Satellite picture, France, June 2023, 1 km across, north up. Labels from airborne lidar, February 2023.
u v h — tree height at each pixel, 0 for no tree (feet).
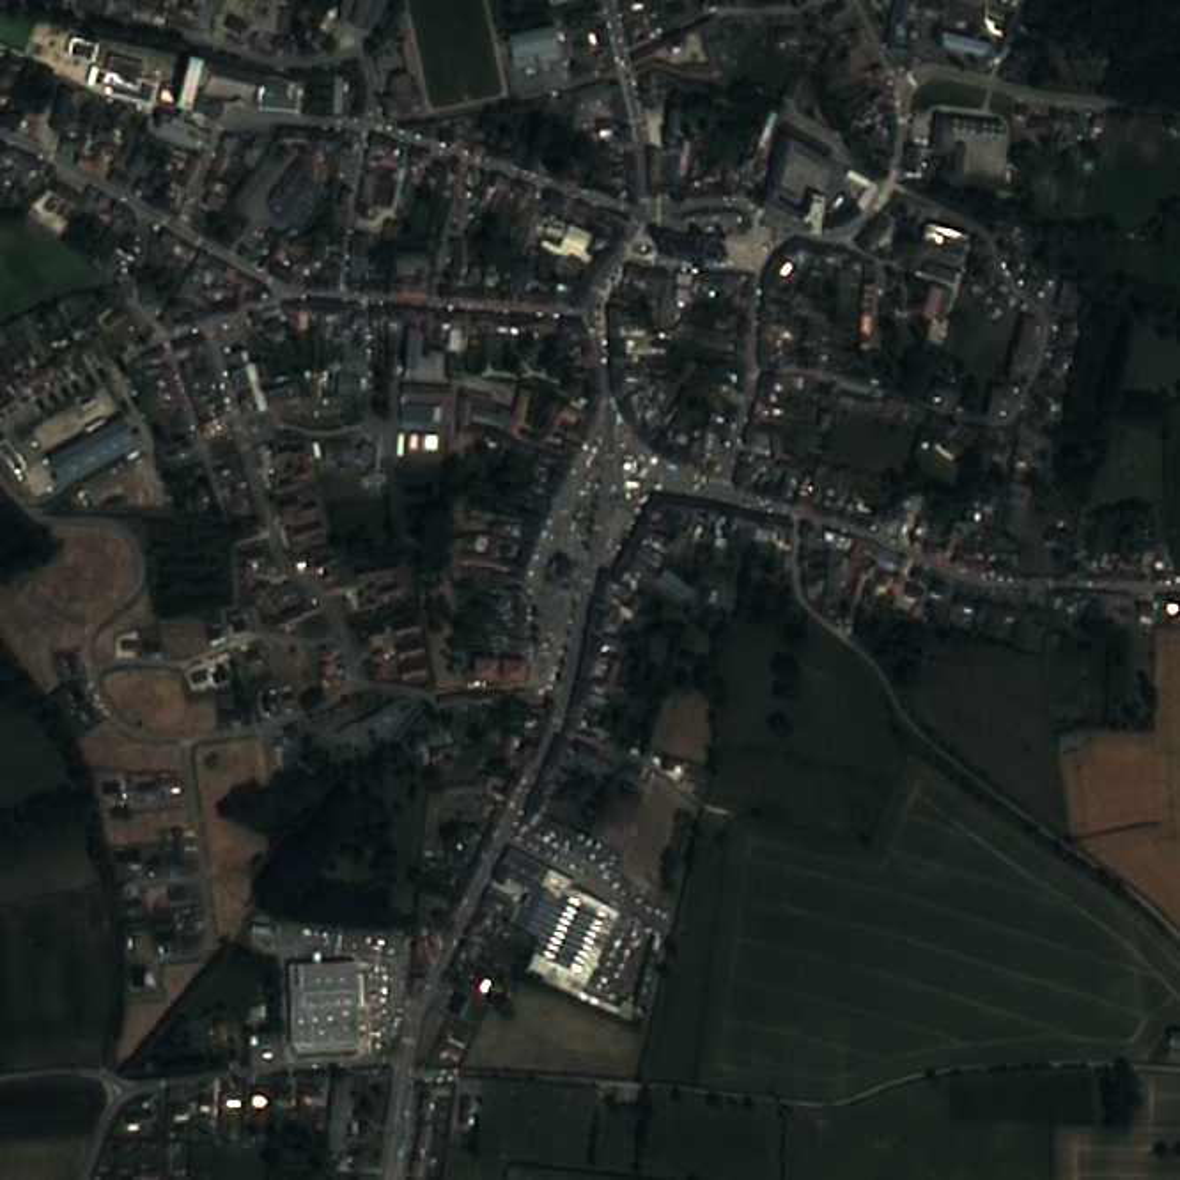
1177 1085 0
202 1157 0
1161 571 0
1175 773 0
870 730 0
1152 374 0
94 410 0
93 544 0
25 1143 0
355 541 49
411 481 0
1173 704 0
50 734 46
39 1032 0
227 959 19
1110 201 0
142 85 0
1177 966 0
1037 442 0
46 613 0
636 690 21
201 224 0
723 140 0
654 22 0
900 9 0
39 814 92
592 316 0
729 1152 0
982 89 0
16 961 0
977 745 0
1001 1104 0
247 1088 0
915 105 0
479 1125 39
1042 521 0
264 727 0
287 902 106
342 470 0
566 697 0
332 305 0
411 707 0
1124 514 49
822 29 23
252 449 0
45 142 0
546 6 21
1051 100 0
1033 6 60
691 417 0
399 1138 0
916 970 0
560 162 71
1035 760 0
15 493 0
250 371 0
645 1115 34
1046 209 0
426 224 0
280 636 0
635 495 0
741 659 0
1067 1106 0
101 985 0
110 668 0
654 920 0
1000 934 0
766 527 0
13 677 57
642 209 0
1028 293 0
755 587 42
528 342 49
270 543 0
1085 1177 0
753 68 0
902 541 0
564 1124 0
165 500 0
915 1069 0
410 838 0
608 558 0
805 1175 0
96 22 49
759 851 0
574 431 0
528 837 0
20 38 0
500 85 0
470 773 0
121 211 0
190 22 0
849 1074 0
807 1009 0
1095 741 0
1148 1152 0
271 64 0
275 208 0
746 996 0
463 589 32
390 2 39
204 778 0
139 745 0
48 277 0
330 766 30
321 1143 37
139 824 0
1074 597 0
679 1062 0
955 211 0
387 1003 0
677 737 0
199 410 0
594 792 26
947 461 0
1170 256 0
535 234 0
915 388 53
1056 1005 0
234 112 0
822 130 0
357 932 0
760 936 0
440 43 0
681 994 0
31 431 0
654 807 0
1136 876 0
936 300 0
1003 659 0
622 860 0
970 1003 0
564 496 0
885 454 0
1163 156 0
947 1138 0
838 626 54
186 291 0
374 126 0
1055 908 0
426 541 96
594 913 0
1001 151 0
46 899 0
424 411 0
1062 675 0
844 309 0
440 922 30
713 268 0
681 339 0
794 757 0
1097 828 0
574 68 22
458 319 0
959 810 0
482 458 30
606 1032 0
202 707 0
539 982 21
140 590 0
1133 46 85
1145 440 0
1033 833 30
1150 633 0
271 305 0
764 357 0
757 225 0
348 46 0
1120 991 0
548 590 0
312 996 0
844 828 0
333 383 0
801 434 0
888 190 0
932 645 0
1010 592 0
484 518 0
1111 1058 0
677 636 24
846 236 0
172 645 0
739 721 0
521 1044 0
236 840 0
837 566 0
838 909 0
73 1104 0
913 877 0
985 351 0
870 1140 0
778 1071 0
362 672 0
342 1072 25
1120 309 21
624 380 0
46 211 0
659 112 0
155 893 0
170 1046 41
